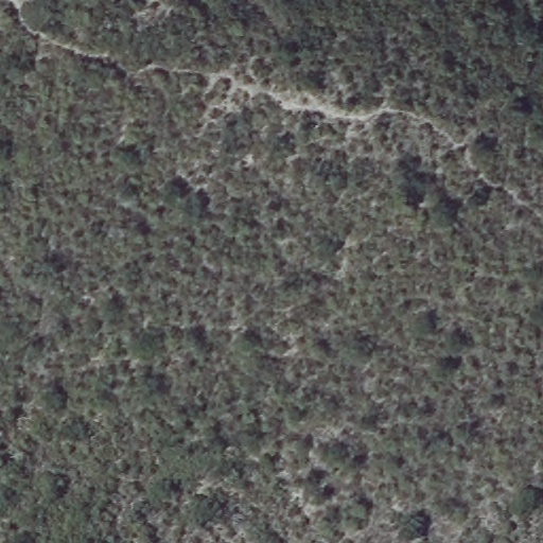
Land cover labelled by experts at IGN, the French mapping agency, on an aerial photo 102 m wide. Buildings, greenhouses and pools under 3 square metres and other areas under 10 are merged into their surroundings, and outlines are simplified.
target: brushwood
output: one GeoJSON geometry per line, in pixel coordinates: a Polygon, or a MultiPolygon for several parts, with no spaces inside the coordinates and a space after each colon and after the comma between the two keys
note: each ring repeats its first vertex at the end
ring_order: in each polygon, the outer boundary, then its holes
{"type": "Polygon", "coordinates": [[[543,543],[543,0],[0,0],[0,543],[543,543]]]}

